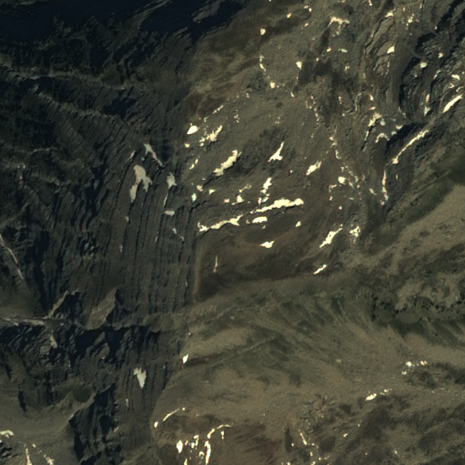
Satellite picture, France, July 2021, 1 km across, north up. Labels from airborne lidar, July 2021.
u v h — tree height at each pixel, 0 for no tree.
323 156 0
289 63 0
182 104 0
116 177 0
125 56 0
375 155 0
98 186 0
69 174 0
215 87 0
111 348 0
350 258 0
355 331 0
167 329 0
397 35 0
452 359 0
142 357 0
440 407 0
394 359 0
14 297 0
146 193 0
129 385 0
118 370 0
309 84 0
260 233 0
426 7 0
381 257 0
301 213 0
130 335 0
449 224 0
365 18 0
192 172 0
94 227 0
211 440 0
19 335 0
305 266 0
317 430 0
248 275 0
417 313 0
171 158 0
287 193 0
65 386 0
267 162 0
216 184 0
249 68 0
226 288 0
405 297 0
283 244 0
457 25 7
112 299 0
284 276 0
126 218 0
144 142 0
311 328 0
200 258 0
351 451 0
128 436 0
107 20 9
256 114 0
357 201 0
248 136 0
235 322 0
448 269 0
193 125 0
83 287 0
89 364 0
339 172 0
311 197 0
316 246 0
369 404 0
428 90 0
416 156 0
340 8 0
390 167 0
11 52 16
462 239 0
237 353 0
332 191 0
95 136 0
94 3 0
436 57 0
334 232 0
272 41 0
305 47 0
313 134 0
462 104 0
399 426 0
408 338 0
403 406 0
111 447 0
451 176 0
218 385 0
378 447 0
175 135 0
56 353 0
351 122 0
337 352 0
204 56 0
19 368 0
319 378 0
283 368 0
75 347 0
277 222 0
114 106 0
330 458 0
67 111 0
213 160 0
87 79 0
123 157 0
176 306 0
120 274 0
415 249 0
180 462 0
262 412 0
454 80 0
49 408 0
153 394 0
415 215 0
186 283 0
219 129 0
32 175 0
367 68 0
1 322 0
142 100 0
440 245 0
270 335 0
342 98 0
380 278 0
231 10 0
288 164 0
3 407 0
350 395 0
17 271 0
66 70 13
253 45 0
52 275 0
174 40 0
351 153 0
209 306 0
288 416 0
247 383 0
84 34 0
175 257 0
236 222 0
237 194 0
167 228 0
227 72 0
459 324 0
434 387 0
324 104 0
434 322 0
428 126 0
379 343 0
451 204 0
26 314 0
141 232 0
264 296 0
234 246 0
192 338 0
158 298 0
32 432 0
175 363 0
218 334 0
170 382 0
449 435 0
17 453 0
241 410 0
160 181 0
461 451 0
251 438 0
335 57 0
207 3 0
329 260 0
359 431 0
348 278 0
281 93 0
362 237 0
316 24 0
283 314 0
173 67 0
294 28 0
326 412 0
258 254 0
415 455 0
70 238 0
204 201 0
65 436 0
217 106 0
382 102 0
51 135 9
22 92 10
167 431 0
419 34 0
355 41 0
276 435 0
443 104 0
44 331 0
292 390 0
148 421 0
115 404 0
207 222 0
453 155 0
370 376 0
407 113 0
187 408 0
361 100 0
